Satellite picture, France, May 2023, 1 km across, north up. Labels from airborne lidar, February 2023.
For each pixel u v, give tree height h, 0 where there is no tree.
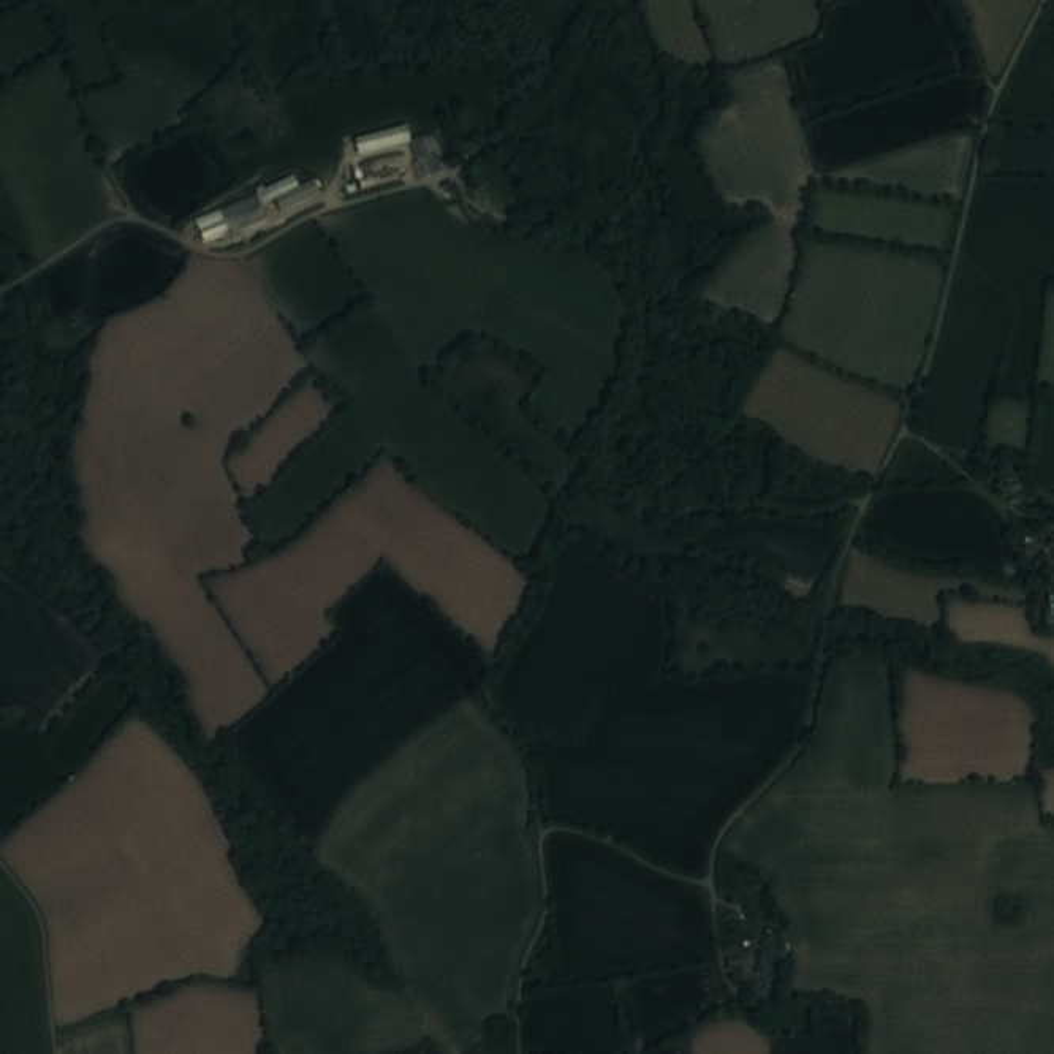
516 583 0
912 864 0
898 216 0
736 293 0
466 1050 0
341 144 0
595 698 0
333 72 11
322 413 0
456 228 0
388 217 0
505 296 0
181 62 0
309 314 0
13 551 10
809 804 0
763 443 0
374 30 13
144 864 0
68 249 0
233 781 9
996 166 0
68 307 0
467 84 0
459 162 13
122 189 0
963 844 0
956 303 0
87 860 0
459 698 0
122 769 0
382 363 0
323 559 0
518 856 0
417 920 0
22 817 6
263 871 10
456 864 0
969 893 0
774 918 6
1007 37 0
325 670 0
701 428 9
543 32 0
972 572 13
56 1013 0
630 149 6
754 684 0
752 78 0
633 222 7
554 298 0
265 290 0
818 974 0
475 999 0
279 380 0
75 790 0
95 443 0
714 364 9
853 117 0
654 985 0
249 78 12
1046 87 0
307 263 0
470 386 0
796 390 0
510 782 0
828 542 0
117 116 0
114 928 0
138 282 0
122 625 6
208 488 0
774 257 0
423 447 0
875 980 0
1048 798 0
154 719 10
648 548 0
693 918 0
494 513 0
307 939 11
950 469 6
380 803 0
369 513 0
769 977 0
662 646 0
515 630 11
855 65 0
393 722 0
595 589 0
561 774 0
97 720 0
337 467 0
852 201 0
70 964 0
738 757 0
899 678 13
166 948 0
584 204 0
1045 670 0
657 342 15
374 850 0
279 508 0
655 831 0
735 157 0
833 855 0
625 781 0
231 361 0
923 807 0
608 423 17
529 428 0
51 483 12
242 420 0
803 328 0
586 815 0
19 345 11
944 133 0
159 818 0
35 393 11
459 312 0
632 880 0
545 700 0
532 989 13
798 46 7
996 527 0
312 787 0
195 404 0
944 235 0
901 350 0
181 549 0
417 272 0
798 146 0
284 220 0
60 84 0
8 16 19
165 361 0
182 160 0
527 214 18
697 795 0
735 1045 0
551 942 7
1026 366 0
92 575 10
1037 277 0
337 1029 0
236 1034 0
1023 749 0
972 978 0
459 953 0
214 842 0
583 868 0
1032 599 12
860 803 0
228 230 0
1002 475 10
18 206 0
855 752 0
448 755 0
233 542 0
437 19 7
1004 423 0
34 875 0
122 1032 0
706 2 0
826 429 0
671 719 0
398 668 0
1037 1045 0
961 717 0
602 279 0
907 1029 0
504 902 0
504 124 19
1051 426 0
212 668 0
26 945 0
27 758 0
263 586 0
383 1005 0
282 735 0
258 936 7
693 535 17
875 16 0
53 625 0
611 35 6
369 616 0
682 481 14
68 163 0
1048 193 0
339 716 0
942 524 0
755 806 0
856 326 0
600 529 0
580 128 0
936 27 0
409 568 0
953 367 0
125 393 0
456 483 0
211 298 0
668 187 16
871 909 0
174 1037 0
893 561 10
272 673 0
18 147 0
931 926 0
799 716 0
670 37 0
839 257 0
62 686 0
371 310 14
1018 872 0
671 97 15
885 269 0
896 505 0
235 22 11
